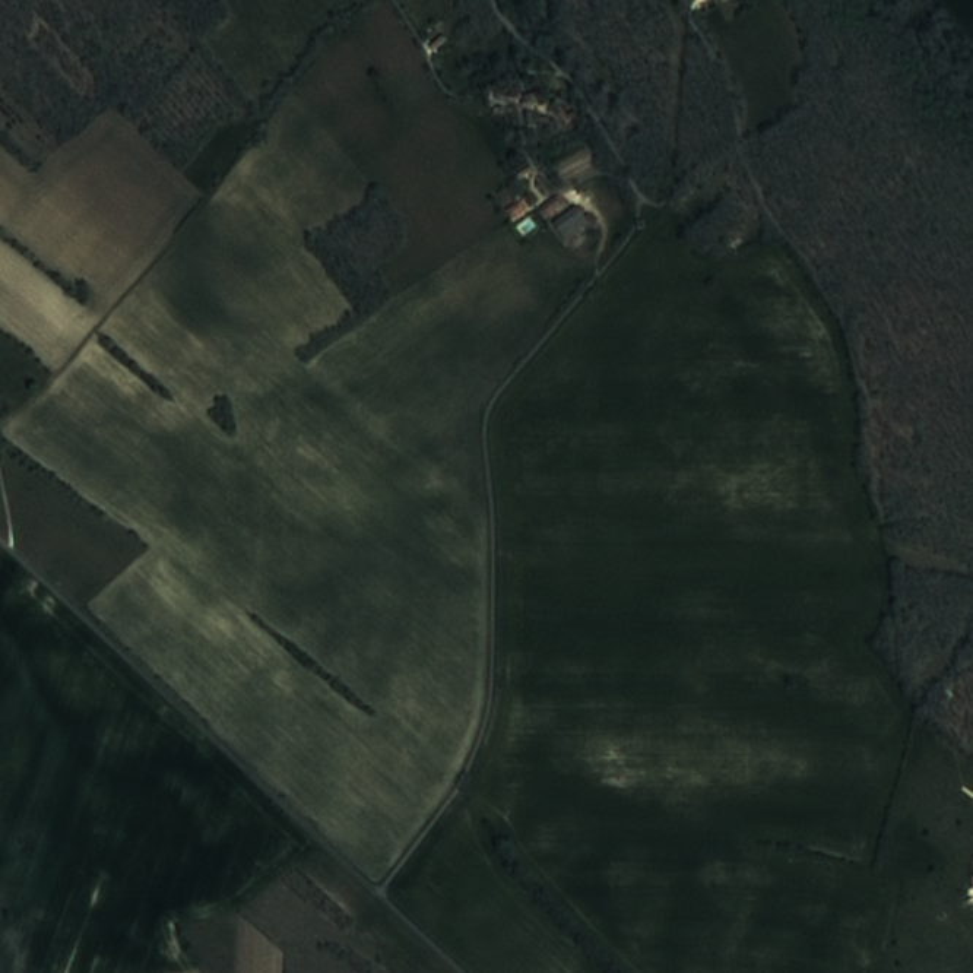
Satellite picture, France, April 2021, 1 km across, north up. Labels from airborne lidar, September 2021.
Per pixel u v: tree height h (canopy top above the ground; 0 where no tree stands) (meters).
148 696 0
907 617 10
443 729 0
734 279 0
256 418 0
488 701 0
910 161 10
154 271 0
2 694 0
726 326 0
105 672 0
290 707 0
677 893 0
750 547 0
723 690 0
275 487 0
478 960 0
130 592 0
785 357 0
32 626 0
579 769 0
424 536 0
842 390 0
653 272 0
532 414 0
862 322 13
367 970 10
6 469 0
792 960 0
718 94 16
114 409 0
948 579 14
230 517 0
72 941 0
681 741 0
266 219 0
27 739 0
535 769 0
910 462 13
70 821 0
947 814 0
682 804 0
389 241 16
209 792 0
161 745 0
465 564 0
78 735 0
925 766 0
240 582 0
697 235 16
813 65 18
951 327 11
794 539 0
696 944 0
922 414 10
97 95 12
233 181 0
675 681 0
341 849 0
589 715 0
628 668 0
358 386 0
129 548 0
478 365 0
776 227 13
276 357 0
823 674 0
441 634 0
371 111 0
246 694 0
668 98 13
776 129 15
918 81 24
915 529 12
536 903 10
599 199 0
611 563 0
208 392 0
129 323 0
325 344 11
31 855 0
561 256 0
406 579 0
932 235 14
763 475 0
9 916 14
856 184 14
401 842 0
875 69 17
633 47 13
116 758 0
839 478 0
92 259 0
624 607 0
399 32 0
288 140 0
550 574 0
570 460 0
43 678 0
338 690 11
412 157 0
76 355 0
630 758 0
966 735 10
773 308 0
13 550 0
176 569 0
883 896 0
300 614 0
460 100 9
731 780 0
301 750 0
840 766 0
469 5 14
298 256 0
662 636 0
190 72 10
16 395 0
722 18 0
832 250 14
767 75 0
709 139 14
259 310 0
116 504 0
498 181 0
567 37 19
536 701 0
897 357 12
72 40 14
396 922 0
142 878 0
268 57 0
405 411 0
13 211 0
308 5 0
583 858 0
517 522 0
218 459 0
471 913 0
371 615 0
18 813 0
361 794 0
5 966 0
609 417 0
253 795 0
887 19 19
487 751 0
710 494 0
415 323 0
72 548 0
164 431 0
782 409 0
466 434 0
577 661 0
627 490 0
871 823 0
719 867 0
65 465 0
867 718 0
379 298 15
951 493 10
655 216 0
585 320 0
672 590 0
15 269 0
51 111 13
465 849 0
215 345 0
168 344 0
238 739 0
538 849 0
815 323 0
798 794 0
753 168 16
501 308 0
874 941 0
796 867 0
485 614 0
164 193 0
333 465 0
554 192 12
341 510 0
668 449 0
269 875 0
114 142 0
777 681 0
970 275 14
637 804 0
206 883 0
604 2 13
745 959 0
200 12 16
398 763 0
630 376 0
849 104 16
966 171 17
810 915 0
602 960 11
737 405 0
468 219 0
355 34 0
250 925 0
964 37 18
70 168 0
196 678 0
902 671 12
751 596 0
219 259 0
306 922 0
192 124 9
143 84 17
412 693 0
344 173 0
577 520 0
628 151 17
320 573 0
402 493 0
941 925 0
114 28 12
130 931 0
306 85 0
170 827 0
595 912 0
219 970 0
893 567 10
